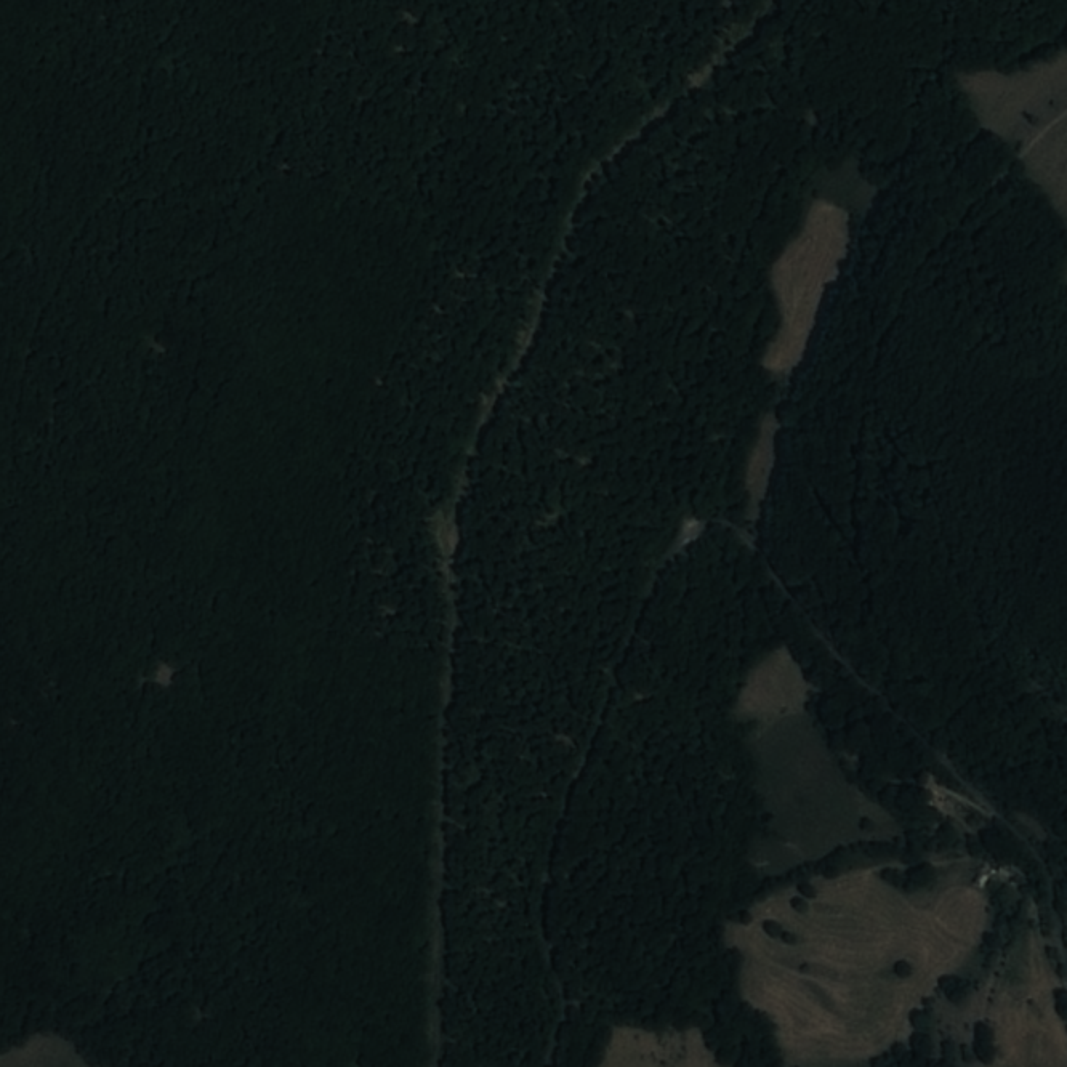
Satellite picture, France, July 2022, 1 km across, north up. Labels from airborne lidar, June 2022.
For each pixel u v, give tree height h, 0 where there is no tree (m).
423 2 19
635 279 26
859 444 9
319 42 17
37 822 10
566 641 23
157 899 12
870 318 20
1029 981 0
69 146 14
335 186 18
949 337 23
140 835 16
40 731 15
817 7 28
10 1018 21
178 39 15
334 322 17
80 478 13
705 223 25
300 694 13
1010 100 0
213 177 17
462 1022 15
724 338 20
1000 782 22
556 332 26
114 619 16
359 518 16
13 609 13
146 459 15
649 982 16
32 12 19
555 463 20
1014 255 23
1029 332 17
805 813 0
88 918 18
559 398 20
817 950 0
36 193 14
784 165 25
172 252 15
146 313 16
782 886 14
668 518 17
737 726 8
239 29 18
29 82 17
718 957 12
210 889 12
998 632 17
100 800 13
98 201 15
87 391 17
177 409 13
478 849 16
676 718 19
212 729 11
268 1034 14
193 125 18
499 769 22
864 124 22
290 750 13
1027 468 21
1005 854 22
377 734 15
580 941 22
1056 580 26
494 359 20
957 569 16
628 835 19
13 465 13
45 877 14
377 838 20
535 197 20
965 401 23
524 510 25
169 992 15
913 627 27
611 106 25
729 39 21
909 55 21
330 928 17
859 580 24
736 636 20
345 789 18
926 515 25
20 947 17
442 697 19
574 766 20
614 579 22
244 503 17
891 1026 0
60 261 12
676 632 17
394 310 17
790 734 0
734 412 17
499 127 20
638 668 22
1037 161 0
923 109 25
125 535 15
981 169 23
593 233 24
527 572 23
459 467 20
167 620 14
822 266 0
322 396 19
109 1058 17
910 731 16
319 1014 16
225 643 11
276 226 18
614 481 24
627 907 22
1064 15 20
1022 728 18
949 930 0
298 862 14
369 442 16
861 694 20
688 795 16
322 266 19
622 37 26
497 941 16
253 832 17
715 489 19
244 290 15
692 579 14
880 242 22
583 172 27
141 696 8
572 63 23
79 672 15
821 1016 0
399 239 18
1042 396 22
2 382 15
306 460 18
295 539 16
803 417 20
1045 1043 0
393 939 17
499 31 22
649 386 23
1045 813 23
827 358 25
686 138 23
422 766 18
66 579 15
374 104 18
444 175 19
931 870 16
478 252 18
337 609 17
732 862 15
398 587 18
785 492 27
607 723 15
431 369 17
